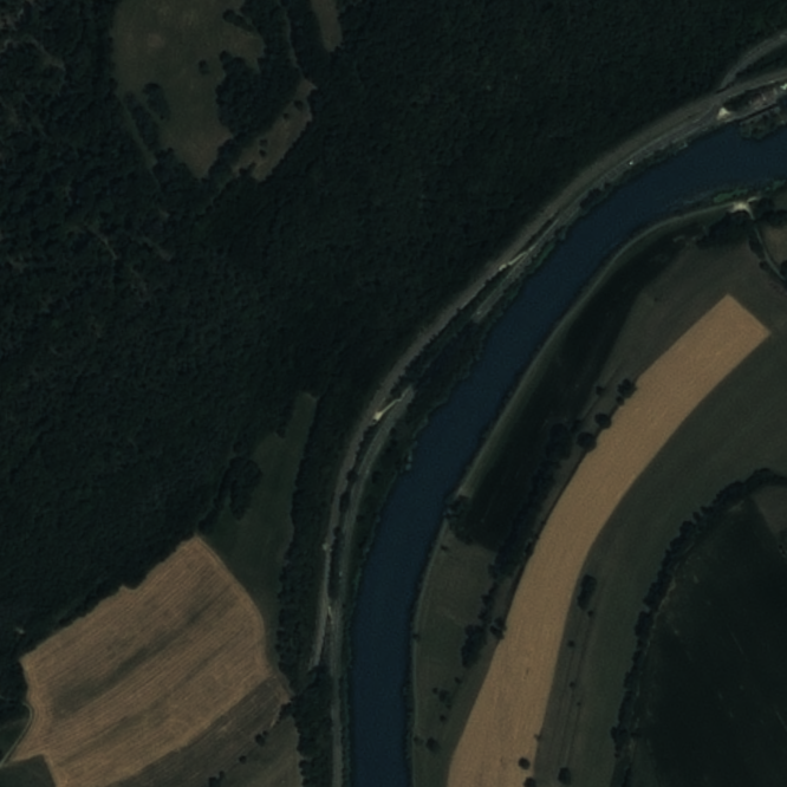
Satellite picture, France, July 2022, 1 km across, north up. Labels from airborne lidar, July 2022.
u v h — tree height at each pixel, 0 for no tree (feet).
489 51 39
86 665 0
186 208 98
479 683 0
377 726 0
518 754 0
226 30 0
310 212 63
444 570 0
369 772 0
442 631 0
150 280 70
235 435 61
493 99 59
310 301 65
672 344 0
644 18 51
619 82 74
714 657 0
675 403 0
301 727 53
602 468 0
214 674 0
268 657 0
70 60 81
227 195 28
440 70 41
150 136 83
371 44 54
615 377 0
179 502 58
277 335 84
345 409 47
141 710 0
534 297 0
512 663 0
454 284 45
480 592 0
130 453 73
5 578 44
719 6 68
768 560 0
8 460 48
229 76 37
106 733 0
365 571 0
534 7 63
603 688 0
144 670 0
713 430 0
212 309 23
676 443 0
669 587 32
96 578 54
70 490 60
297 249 63
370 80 54
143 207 97
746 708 0
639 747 0
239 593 0
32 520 65
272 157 0
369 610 0
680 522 0
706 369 0
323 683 67
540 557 0
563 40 42
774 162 0
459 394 0
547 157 56
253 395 45
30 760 0
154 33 0
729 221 53
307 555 37
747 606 0
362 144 51
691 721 0
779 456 0
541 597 0
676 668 0
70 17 100
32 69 72
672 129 0
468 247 51
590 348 0
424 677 0
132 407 76
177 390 77
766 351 0
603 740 0
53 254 98
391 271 59
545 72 51
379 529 0
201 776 0
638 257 0
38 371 53
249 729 0
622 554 0
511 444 0
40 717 0
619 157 0
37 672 0
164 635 0
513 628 0
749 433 0
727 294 0
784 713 0
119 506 51
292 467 0
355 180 55
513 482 0
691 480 0
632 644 0
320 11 0
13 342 83
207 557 0
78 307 81
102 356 57
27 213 132
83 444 70
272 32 56
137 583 61
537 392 0
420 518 0
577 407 0
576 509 0
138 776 0
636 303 0
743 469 0
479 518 0
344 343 88
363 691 0
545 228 30
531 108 79
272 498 0
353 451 0
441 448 0
